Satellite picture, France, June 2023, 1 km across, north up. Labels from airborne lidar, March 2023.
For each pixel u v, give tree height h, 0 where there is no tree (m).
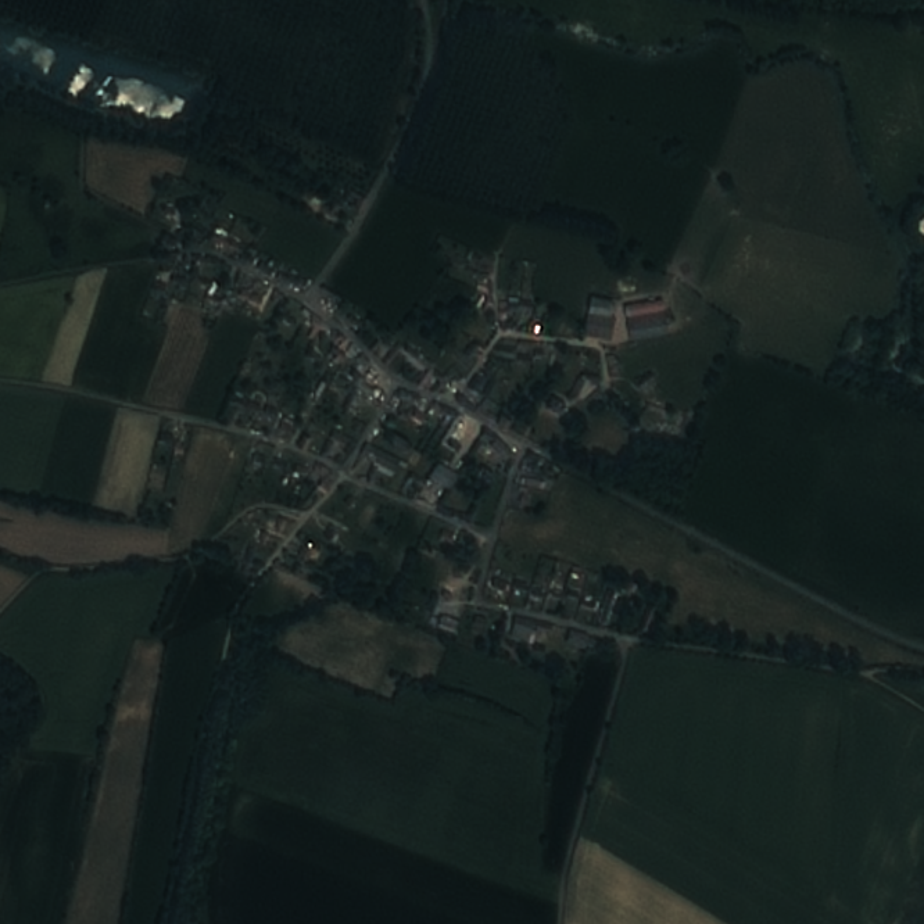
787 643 0
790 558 0
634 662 0
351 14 28
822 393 0
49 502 10
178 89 0
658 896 0
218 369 0
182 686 0
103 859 0
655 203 0
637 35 0
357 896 0
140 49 15
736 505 0
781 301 0
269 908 0
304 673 13
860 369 15
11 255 0
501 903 0
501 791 0
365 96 29
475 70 31
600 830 0
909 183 0
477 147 29
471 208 0
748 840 0
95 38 9
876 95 0
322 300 0
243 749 0
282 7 28
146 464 0
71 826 0
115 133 16
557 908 0
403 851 0
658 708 0
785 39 0
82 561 0
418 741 0
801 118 0
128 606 0
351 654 0
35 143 0
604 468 23
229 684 14
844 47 0
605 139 0
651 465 26
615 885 0
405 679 8
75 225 0
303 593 0
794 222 0
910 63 0
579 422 23
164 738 0
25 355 0
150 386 0
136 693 0
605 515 0
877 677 0
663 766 0
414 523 0
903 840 0
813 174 0
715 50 0
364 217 0
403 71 28
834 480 0
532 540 0
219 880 0
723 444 0
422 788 0
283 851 0
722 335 0
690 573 0
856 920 0
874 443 0
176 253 7
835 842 0
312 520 0
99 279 0
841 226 0
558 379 13
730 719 0
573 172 0
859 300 0
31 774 0
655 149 0
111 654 0
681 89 0
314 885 0
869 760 0
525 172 30
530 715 0
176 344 0
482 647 13
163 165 0
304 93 27
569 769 0
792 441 0
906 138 0
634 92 0
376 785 0
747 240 0
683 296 0
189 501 0
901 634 0
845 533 0
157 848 0
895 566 0
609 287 0
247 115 30
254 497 0
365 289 0
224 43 27
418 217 0
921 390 11
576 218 27
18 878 0
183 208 17
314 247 0
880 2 19
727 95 0
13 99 16
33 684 15
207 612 0
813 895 0
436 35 0
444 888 0
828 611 0
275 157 16
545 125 27
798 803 0
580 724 0
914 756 0
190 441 0
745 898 0
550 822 0
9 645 0
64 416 0
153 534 0
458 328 7
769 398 0
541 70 27
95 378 0
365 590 22
